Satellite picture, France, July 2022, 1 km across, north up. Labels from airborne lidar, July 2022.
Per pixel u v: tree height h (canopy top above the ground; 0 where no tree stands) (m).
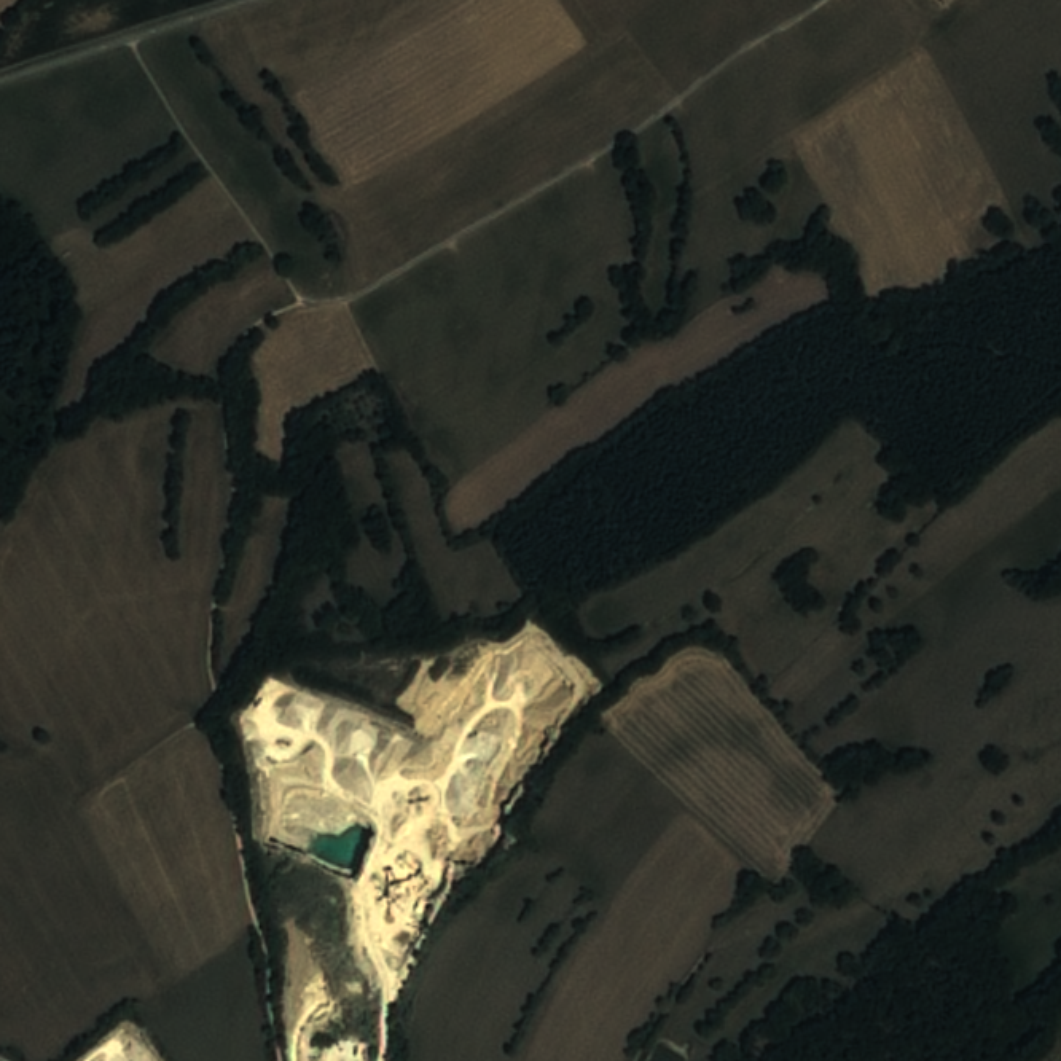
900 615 0
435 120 0
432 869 0
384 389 17
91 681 0
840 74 0
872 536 0
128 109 0
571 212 0
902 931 21
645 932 0
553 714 0
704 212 0
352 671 0
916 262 0
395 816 0
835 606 0
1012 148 0
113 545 0
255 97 0
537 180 0
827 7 0
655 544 19
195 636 0
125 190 11
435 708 0
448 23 0
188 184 15
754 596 0
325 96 0
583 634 13
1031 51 0
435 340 0
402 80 0
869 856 0
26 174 0
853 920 0
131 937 0
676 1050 0
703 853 0
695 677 0
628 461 19
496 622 10
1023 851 15
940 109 0
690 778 0
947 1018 20
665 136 0
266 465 16
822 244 13
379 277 0
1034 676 0
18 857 0
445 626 9
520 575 10
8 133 0
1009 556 0
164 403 11
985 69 0
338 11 0
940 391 17
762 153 0
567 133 0
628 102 0
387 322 0
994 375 16
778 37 0
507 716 0
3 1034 0
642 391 0
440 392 0
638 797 0
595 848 0
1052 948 0
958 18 0
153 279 0
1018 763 0
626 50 0
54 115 0
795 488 0
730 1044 13
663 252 0
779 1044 13
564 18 0
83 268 0
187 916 0
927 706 0
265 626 8
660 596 0
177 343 0
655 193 15
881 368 19
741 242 0
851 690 0
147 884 0
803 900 0
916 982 21
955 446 19
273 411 0
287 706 0
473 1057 0
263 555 0
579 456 12
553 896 0
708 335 0
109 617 0
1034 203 13
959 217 0
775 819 0
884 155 0
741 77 0
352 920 0
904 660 12
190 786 0
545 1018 0
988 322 16
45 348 19
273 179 0
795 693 0
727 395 20
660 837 0
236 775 10
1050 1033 20
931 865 0
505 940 0
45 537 0
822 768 13
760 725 0
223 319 0
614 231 0
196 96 0
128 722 0
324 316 0
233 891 0
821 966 0
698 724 0
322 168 12
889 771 7
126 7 0
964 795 0
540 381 0
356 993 0
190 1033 0
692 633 10
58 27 0
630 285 13
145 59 0
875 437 9
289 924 0
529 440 0
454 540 6
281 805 0
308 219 16
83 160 0
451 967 0
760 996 0
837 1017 20
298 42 0
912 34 0
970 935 22
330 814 0
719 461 18
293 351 0
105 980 0
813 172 0
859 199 0
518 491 0
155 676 0
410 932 0
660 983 0
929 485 20
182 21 0
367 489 0
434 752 0
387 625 10
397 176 0
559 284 0
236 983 0
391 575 0
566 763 10
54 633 0
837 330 17
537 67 0
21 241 12
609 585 19
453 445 0
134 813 0
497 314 0
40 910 0
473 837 0
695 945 0
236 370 16
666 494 19
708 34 0
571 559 21
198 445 0
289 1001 0
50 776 0
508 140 0
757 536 0
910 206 0
